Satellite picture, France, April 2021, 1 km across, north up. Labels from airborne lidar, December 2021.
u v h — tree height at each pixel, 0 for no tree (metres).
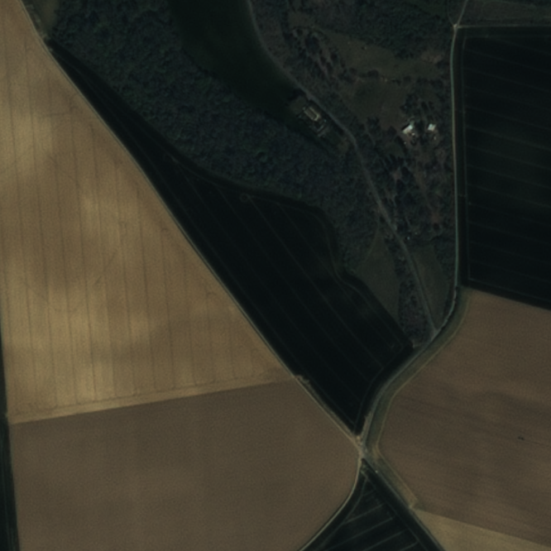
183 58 20
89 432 0
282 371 0
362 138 9
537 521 0
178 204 0
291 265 0
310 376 0
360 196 8
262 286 0
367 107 0
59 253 0
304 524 0
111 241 0
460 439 0
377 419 0
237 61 0
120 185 0
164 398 0
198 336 0
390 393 0
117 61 21
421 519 0
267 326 0
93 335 0
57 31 9
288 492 0
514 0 6
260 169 10
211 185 0
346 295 0
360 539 0
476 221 0
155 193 0
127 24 22
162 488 0
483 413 0
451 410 0
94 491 0
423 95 0
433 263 0
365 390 0
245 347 0
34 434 0
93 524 0
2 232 0
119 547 0
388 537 0
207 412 0
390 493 0
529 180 0
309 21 0
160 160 0
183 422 0
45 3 0
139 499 0
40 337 0
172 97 24
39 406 0
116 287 0
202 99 30
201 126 21
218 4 0
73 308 0
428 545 0
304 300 0
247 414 0
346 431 0
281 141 20
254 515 0
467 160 0
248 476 0
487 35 0
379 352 0
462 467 0
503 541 0
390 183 12
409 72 0
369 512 0
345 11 17
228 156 13
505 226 0
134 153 0
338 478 0
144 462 0
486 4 0
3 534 0
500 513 0
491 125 0
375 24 10
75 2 20
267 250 0
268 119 16
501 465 0
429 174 16
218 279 0
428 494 0
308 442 0
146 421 0
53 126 0
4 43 0
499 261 0
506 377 0
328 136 0
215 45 0
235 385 0
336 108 7
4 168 0
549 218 0
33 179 0
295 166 17
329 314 0
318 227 0
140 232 0
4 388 0
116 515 0
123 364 0
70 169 0
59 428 0
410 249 7
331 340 0
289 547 0
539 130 0
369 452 0
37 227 0
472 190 0
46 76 0
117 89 7
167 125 14
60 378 0
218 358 0
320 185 12
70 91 0
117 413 0
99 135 0
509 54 0
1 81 0
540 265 0
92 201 0
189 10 0
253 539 0
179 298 0
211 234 0
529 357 0
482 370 0
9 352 0
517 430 0
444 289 0
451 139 11
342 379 0
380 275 0
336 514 0
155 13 7
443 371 0
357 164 14
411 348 0
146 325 0
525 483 0
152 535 0
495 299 0
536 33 0
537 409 0
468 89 0
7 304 0
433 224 16
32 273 0
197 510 0
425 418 0
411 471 0
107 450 0
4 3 0
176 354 0
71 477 0
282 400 0
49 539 0
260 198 0
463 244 0
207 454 0
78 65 0
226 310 0
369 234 13
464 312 0
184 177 0
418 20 10
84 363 0
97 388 0
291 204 0
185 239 0
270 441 0
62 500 0
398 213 13
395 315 0
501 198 0
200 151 13
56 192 0
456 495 0
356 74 14
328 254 0
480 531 0
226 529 0
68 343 0
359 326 0
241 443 0
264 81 0
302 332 0
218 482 0
